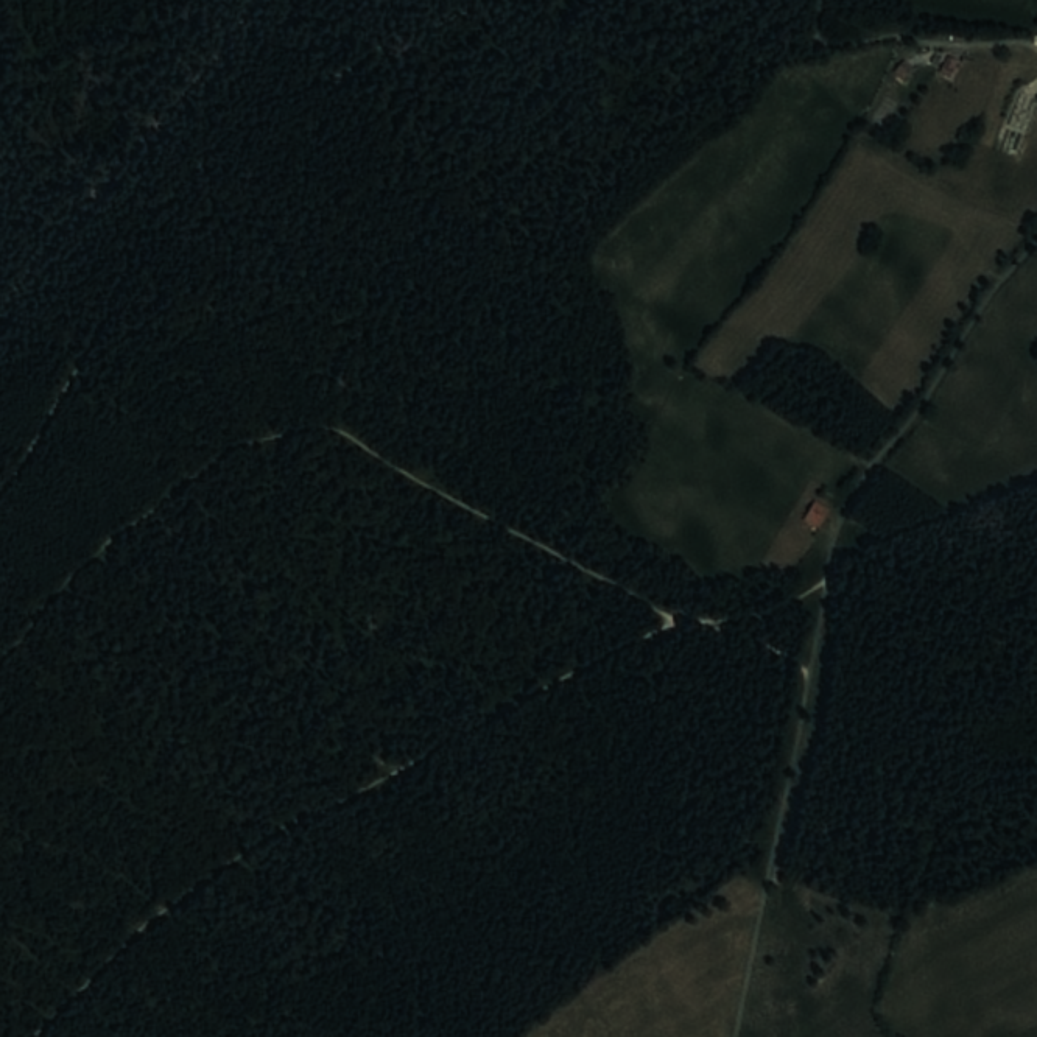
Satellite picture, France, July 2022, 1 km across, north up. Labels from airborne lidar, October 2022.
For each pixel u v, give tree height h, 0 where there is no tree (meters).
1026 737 8
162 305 27
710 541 0
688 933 0
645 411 0
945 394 0
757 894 0
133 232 25
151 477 13
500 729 19
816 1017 0
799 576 19
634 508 0
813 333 0
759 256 0
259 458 10
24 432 11
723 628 8
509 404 19
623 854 18
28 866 12
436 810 16
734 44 24
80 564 11
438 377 22
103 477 13
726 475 0
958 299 0
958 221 0
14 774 10
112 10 13
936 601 16
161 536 19
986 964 0
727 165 0
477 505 16
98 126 6
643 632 17
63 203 32
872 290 0
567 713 14
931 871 30
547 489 22
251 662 17
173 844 12
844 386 23
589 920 21
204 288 27
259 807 20
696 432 0
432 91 34
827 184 12
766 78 22
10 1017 10
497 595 21
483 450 18
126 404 15
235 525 13
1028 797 18
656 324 0
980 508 29
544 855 19
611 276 0
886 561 34
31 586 14
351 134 28
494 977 26
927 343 0
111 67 17
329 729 21
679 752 27
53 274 30
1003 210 0
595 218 20
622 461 12
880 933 0
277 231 35
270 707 28
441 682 13
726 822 33
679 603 30
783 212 0
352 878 16
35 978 10
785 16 28
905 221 0
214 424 17
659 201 0
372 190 22
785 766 13
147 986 18
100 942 12
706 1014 0
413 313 28
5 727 14
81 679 14
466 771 32
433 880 16
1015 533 21
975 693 29
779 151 0
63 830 9
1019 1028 0
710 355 0
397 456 17
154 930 19
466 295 20
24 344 26
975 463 0
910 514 24
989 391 0
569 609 24
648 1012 0
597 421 14
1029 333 0
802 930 0
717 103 14
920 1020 0
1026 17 0
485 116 33
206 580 22
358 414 20
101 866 9
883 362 0
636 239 0
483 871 21
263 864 26
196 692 15
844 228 0
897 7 24
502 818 13
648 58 37
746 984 0
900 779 34
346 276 30
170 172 30
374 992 19
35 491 13
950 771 20
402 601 9
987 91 0
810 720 32
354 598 15
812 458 0
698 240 0
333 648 26
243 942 20
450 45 14
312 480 18
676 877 13
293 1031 13
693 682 28
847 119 0
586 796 14
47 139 10
